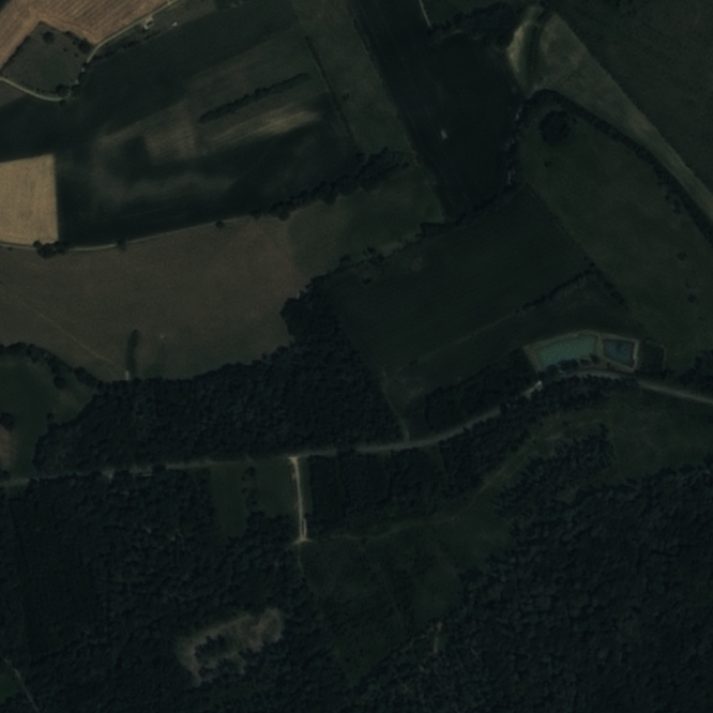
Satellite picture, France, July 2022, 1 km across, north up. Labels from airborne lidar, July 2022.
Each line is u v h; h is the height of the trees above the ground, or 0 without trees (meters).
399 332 0
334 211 0
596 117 8
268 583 24
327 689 30
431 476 15
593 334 0
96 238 0
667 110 0
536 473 25
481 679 28
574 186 0
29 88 6
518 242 0
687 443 0
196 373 0
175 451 26
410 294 0
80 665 19
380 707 26
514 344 0
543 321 0
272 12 0
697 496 28
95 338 0
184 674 29
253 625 0
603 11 0
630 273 0
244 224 0
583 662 26
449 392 8
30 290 0
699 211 10
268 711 26
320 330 19
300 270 0
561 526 28
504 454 18
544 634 31
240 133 0
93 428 16
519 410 25
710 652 24
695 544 24
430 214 0
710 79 0
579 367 16
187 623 22
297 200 11
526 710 27
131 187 0
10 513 8
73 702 25
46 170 0
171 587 18
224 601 21
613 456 25
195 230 0
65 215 0
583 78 0
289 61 0
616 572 29
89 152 0
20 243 0
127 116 0
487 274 0
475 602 10
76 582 11
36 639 9
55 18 0
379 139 0
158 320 0
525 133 13
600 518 26
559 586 23
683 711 32
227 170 0
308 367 17
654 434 0
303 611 23
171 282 0
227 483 0
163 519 28
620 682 26
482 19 25
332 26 0
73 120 0
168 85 0
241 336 0
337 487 8
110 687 17
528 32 0
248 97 11
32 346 8
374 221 0
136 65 0
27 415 0
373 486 13
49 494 23
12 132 0
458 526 0
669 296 0
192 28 0
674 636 23
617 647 29
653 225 0
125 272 0
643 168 0
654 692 29
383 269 16
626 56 0
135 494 18
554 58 0
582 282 14
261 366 18
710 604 20
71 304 0
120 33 0
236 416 26
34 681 17
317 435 16
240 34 0
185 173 0
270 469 0
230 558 27
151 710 22
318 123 0
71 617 8
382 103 0
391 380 0
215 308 0
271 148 0
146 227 0
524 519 8
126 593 28
